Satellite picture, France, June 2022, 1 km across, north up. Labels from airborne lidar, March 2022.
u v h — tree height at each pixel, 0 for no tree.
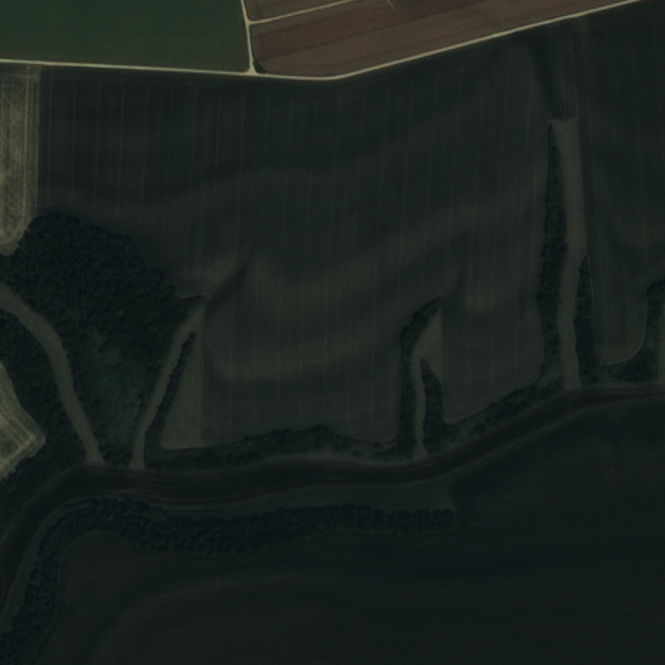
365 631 0
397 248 0
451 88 0
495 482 0
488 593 0
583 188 0
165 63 0
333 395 0
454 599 0
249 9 0
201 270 0
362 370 0
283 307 0
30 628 18
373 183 0
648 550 0
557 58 0
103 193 0
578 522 0
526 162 0
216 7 0
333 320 0
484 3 0
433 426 15
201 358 0
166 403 7
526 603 0
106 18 0
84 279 16
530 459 0
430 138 0
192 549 14
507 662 0
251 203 0
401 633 0
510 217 0
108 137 0
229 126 0
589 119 0
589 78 0
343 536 0
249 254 0
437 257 0
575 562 0
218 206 0
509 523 0
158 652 0
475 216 0
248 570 0
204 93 0
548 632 0
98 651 0
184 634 0
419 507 0
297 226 0
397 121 0
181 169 0
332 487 0
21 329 19
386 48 0
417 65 0
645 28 0
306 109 0
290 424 0
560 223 18
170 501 0
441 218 0
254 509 0
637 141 0
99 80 0
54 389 21
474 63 0
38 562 8
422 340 0
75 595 0
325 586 0
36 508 0
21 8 0
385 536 0
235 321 0
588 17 0
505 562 0
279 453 8
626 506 0
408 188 0
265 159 0
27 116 0
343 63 0
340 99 0
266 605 0
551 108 0
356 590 0
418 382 0
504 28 0
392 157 0
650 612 0
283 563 0
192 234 0
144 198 0
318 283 0
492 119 0
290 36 0
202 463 9
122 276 18
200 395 0
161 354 14
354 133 0
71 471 0
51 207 0
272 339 0
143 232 0
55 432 13
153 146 0
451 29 0
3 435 0
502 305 0
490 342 0
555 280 14
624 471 0
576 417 0
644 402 0
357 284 0
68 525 12
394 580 0
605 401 0
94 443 0
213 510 0
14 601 0
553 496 0
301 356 0
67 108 0
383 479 0
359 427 0
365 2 0
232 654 0
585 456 0
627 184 0
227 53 0
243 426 0
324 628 0
